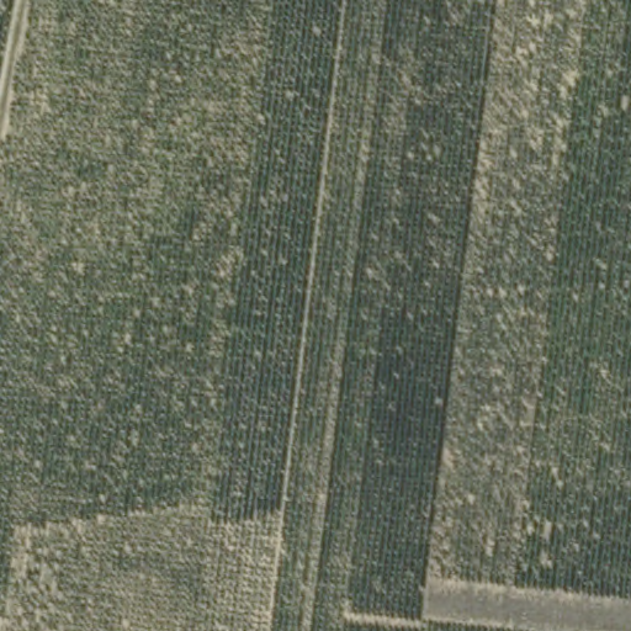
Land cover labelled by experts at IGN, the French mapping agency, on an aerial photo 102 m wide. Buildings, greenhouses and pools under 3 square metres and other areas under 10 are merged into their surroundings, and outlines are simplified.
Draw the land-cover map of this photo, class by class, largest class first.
<instances>
[{"label":"vineyard","instance_id":"1","mask_svg":"<svg viewBox=\"0 0 631 631\"><path fill-rule=\"evenodd\" d=\"M426 582L434 587V592L466 589L476 594H503L500 584H518L631 599V0H0V631H510L429 621L421 614V589Z\"/></svg>","mask_w":631,"mask_h":631},{"label":"herbaceous vegetation","instance_id":"2","mask_svg":"<svg viewBox=\"0 0 631 631\"><path fill-rule=\"evenodd\" d=\"M503 594H476L466 589L434 592V587L426 582L421 589V614L429 621L510 631H631V599L518 584H500Z\"/></svg>","mask_w":631,"mask_h":631}]
</instances>
